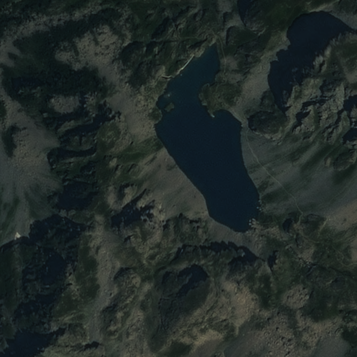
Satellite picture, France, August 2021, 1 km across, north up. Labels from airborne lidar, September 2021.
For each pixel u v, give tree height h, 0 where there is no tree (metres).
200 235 0
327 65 0
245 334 0
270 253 0
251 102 0
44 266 0
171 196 0
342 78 0
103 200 0
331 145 0
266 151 0
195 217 0
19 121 0
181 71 0
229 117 0
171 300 0
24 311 0
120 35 0
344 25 0
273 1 0
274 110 0
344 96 0
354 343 0
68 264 0
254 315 0
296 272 0
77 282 0
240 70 0
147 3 0
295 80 0
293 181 0
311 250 0
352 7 0
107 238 0
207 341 0
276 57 0
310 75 0
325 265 0
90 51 0
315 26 0
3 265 0
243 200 0
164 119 0
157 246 0
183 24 0
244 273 0
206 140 0
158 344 0
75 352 0
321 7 0
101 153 0
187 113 0
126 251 0
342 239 0
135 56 0
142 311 0
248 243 0
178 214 0
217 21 0
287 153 0
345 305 0
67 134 6
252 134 0
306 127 0
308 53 0
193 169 0
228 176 0
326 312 0
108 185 0
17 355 0
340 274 0
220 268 0
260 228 0
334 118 0
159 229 0
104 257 0
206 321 0
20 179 0
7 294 0
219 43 0
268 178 0
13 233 0
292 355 0
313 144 0
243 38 0
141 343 0
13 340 0
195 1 0
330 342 0
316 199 0
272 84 0
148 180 0
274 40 0
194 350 0
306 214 0
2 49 0
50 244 0
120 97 0
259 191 0
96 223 0
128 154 0
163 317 0
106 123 6
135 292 0
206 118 0
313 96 0
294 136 0
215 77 0
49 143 0
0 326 0
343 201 0
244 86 0
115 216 0
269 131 0
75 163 0
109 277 0
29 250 0
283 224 0
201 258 0
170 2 0
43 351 0
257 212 0
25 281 0
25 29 0
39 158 0
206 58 0
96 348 0
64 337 0
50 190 0
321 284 0
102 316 0
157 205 0
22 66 0
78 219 0
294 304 0
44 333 0
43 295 0
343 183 0
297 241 0
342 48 0
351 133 0
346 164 0
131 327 0
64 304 0
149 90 0
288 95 0
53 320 0
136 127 0
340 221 0
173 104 0
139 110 0
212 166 0
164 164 0
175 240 0
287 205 0
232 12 0
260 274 0
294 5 0
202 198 0
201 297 0
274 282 0
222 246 0
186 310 0
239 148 0
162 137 0
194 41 0
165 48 0
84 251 0
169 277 0
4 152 0
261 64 0
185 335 0
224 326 0
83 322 0
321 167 0
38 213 0
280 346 0
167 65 0
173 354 0
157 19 0
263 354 0
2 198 0
